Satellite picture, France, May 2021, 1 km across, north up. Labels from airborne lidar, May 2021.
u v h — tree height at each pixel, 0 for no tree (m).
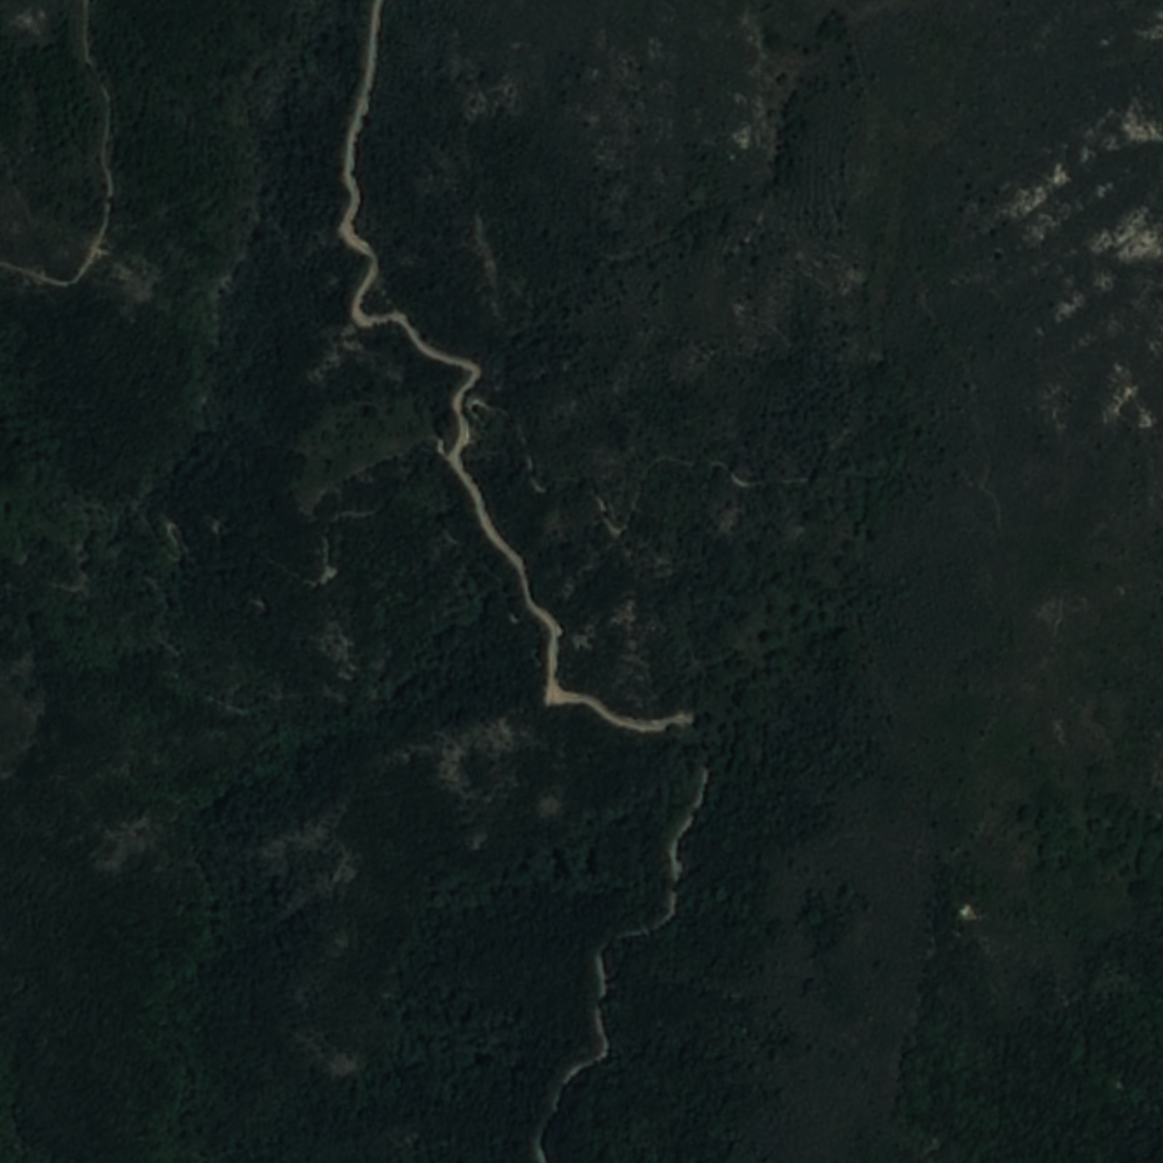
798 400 8
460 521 9
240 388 9
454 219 8
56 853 11
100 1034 11
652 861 13
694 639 8
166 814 10
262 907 12
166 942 12
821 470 12
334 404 10
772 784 8
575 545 7
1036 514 0
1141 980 9
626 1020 10
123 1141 10
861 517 9
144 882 14
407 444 0
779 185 12
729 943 8
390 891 11
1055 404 0
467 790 6
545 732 11
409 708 18
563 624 9
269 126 8
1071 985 6
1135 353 0
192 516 16
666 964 7
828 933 9
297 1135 11
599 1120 14
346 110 9
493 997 12
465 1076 19
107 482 9
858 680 6
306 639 6
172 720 9
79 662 13
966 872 10
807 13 0
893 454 15
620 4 0
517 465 8
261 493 14
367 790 8
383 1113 15
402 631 8
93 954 13
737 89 0
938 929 9
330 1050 7
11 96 13
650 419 10
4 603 12
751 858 9
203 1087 18
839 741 7
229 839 10
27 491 21
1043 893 9
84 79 18
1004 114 0
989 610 0
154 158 15
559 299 5
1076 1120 11
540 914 18
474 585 19
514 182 6
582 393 9
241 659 11
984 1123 14
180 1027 17
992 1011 6
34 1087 8
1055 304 6
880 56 0
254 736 6
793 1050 8
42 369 18
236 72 14
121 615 6
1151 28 0
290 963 7
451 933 19
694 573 12
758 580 8
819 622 12
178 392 16
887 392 11
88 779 7
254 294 6
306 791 11
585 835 11
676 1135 9
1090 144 0
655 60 0
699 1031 9
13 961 7
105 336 10
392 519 12
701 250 7
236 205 12
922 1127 9
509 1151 11
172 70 12
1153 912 7
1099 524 0
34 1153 11
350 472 0
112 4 14
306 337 7
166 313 8
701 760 18
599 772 13
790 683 9
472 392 6
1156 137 0
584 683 10
